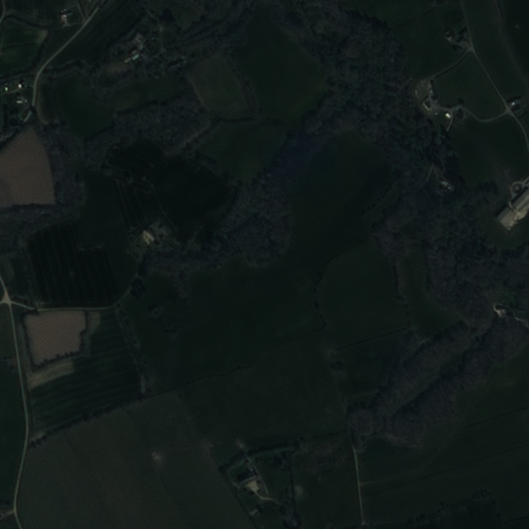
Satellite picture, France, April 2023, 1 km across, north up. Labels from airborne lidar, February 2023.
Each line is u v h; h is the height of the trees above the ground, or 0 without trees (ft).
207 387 0
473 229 102
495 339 64
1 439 0
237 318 0
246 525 0
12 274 0
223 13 0
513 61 0
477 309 69
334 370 49
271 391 0
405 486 0
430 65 0
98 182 0
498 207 0
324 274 0
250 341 0
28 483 0
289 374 0
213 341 0
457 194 43
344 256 0
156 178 0
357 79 29
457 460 0
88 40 0
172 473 0
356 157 0
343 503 0
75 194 42
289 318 0
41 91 0
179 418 0
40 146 0
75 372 0
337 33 30
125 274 0
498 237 0
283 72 0
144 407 0
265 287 0
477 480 0
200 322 0
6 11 0
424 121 40
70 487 0
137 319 0
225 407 0
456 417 32
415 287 0
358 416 52
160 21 38
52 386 0
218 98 0
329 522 0
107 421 0
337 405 0
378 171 0
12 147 0
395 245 72
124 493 0
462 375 72
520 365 0
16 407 0
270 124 0
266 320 0
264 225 84
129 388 0
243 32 37
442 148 56
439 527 0
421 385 73
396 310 0
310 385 0
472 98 0
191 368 0
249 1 44
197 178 0
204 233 0
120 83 64
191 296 0
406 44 0
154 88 0
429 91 0
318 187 0
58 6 0
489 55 0
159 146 0
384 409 70
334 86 77
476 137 0
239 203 58
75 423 33
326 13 69
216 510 0
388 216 62
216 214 0
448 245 33
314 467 0
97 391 0
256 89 0
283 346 0
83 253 0
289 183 42
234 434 0
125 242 0
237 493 38
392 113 31
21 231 31
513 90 0
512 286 71
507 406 0
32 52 0
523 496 0
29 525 0
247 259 52
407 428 61
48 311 0
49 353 0
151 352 0
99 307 0
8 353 0
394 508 0
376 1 0
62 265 0
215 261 67
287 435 0
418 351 27
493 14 0
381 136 65
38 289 0
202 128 42
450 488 0
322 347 0
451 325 0
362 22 61
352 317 0
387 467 0
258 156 0
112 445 0
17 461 0
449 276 89
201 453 0
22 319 35
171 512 0
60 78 27
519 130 0
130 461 0
